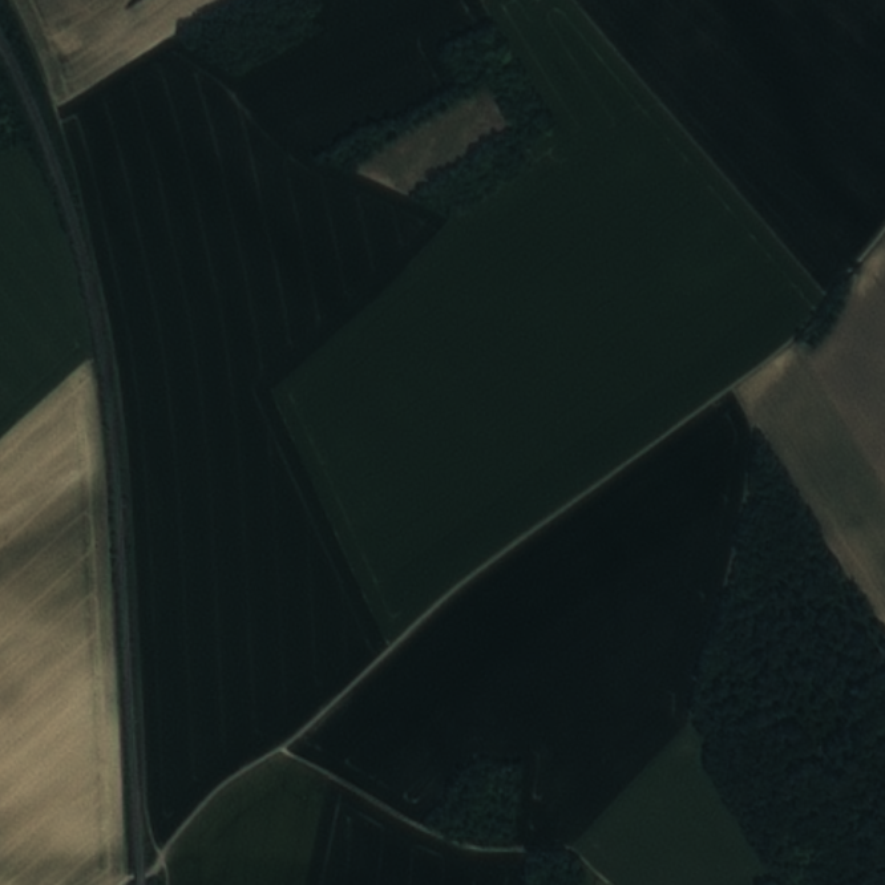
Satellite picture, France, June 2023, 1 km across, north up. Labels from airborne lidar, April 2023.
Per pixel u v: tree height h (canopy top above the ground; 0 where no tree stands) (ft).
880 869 57
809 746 59
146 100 0
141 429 0
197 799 0
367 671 0
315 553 0
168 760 0
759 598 61
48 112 30
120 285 0
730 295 0
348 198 0
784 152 0
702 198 0
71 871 0
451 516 0
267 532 0
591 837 0
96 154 0
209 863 0
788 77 0
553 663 0
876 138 0
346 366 0
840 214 0
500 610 0
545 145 0
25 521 0
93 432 0
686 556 0
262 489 0
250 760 0
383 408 0
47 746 0
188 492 0
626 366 0
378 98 0
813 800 79
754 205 0
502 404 0
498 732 0
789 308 0
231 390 0
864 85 0
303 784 0
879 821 72
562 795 0
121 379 0
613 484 0
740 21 0
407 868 0
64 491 0
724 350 0
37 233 0
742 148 0
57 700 0
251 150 0
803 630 85
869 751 77
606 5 0
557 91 0
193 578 0
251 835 0
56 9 0
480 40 25
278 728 0
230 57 57
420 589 0
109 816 0
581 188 0
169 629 0
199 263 0
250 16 67
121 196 0
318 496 0
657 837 0
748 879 0
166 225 0
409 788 0
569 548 0
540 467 0
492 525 0
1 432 0
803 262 0
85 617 0
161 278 0
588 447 0
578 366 0
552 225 0
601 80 0
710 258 0
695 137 0
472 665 0
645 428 0
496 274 0
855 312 0
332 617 0
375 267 0
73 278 0
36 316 0
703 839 0
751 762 66
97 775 0
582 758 0
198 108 0
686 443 0
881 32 0
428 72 0
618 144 0
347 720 0
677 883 0
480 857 0
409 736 0
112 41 0
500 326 0
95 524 0
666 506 0
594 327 0
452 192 33
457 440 0
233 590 0
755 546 44
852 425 0
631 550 0
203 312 0
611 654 0
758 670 62
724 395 0
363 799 0
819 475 0
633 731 0
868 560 0
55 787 0
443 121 0
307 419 0
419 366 0
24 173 0
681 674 0
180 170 0
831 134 0
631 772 0
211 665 0
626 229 0
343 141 41
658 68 0
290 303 0
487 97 0
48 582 0
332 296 0
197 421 0
